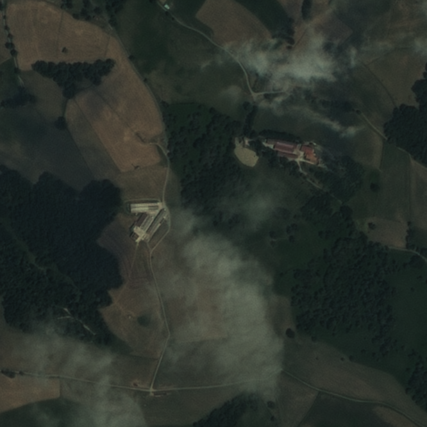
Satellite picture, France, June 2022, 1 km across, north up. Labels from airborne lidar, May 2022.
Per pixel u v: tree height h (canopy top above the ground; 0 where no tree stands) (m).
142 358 0
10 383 0
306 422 0
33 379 0
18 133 0
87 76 18
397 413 0
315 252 0
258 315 0
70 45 0
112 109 0
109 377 0
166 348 0
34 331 16
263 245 0
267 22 0
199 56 0
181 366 0
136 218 0
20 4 0
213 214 0
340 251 22
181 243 0
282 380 0
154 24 0
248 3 0
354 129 0
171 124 10
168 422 0
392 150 0
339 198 6
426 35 0
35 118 0
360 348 0
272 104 0
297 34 0
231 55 0
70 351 0
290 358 0
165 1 0
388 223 0
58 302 22
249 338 0
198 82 0
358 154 0
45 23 0
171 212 0
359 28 0
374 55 0
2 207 26
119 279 16
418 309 0
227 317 0
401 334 0
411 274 0
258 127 0
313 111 0
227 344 0
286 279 0
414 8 0
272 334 0
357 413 0
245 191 14
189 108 0
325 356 0
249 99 0
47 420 0
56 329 20
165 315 0
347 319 15
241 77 0
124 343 0
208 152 14
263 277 0
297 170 11
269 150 16
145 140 0
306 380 0
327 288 15
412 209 0
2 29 0
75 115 0
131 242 0
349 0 0
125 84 0
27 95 16
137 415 0
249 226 0
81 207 17
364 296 10
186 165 8
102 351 0
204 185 26
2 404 0
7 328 0
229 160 19
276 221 0
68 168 0
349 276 12
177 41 0
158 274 0
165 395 0
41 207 18
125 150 0
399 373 0
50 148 0
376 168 0
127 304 0
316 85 0
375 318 15
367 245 18
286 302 0
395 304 0
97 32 0
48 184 21
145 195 0
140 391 0
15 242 9
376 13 0
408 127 19
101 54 0
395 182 0
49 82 0
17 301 21
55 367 0
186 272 0
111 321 0
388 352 12
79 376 0
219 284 0
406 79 0
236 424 17
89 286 29
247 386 0
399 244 0
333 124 0
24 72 0
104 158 0
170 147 13
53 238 21
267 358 0
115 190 14
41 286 20
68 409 0
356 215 0
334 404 0
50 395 0
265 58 10
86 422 0
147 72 0
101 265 23
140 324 0
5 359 0
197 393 0
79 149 0
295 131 0
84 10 14
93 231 21
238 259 0
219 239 0
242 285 0
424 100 23
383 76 0
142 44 0
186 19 0
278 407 0
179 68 0
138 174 0
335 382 0
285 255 0
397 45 0
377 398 0
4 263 10
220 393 0
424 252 16
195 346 0
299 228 16
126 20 0
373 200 0
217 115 7
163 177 0
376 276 10
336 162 7
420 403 11
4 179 19
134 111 0
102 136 0
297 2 0
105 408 0
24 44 0
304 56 0
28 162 0
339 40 0
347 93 0
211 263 0
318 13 0
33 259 0
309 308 6
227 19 0
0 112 0
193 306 0
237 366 0
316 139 0
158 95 0
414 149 12
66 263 24
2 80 0
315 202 8
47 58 0
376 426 0
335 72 0
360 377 0
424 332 0
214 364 0
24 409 0
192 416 0
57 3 0
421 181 0
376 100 0
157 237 0
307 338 0
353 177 7
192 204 23
